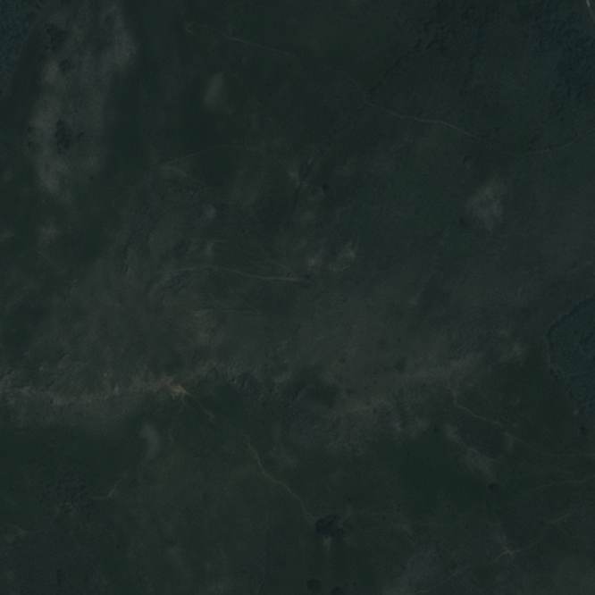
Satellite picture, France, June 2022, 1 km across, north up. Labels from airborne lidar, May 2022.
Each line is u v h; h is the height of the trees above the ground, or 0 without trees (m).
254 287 0
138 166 0
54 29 15
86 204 0
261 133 0
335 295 0
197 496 0
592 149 0
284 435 0
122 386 0
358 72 0
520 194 0
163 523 0
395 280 0
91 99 0
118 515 0
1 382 0
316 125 0
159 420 0
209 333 0
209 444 0
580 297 0
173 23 0
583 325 20
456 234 0
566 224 0
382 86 10
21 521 0
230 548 0
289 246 0
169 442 0
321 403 0
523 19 9
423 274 0
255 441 0
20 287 0
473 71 10
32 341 0
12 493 0
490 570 0
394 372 0
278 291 0
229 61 0
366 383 0
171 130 0
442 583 0
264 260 0
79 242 0
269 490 0
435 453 0
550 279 0
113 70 0
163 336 0
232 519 0
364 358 0
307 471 0
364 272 0
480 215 0
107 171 0
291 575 0
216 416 0
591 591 0
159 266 0
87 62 0
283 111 0
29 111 0
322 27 0
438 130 0
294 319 0
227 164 0
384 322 0
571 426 0
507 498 0
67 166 0
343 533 20
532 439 0
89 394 0
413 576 0
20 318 0
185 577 0
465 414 0
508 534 0
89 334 0
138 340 0
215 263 0
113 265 0
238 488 0
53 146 0
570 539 0
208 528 0
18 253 0
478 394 0
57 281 0
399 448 0
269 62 0
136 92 0
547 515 0
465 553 0
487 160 0
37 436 0
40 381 0
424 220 0
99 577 0
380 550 0
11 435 0
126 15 0
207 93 0
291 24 0
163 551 0
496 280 0
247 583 0
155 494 0
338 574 0
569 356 20
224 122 0
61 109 0
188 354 0
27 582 0
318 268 0
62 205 0
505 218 0
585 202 0
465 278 0
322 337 0
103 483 0
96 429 0
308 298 0
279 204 0
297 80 0
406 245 0
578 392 21
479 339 0
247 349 0
